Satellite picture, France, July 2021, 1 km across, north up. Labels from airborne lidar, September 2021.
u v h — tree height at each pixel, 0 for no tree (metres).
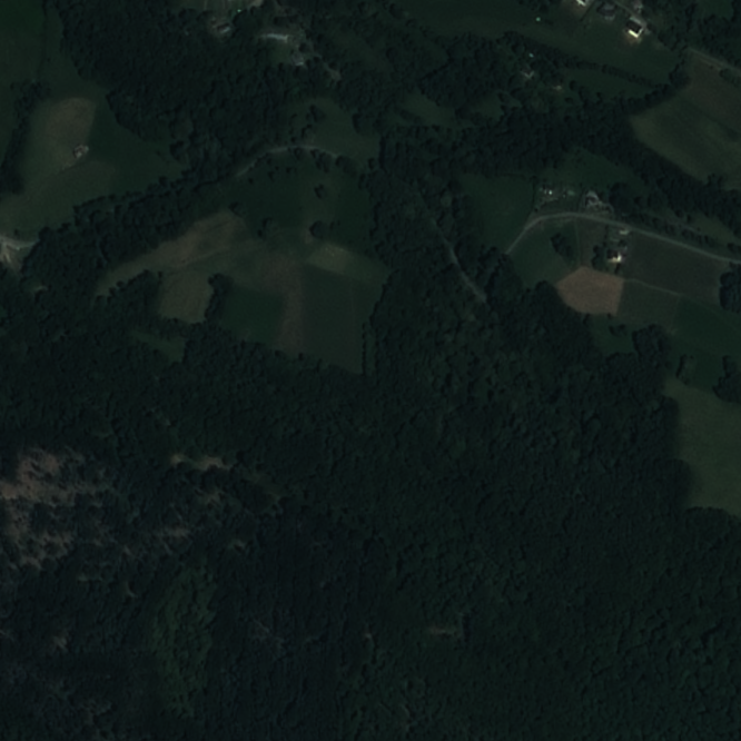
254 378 25
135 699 28
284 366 23
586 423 24
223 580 30
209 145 24
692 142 0
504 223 0
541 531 22
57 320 24
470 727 26
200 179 18
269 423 27
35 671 23
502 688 24
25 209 0
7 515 26
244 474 22
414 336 30
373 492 28
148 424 23
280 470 28
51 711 21
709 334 0
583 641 24
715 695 26
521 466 19
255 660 26
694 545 22
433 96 30
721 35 9
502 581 21
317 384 16
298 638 29
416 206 24
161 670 24
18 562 29
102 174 0
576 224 0
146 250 21
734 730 25
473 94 13
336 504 25
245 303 0
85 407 20
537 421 25
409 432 26
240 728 27
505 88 14
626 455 17
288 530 31
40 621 27
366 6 15
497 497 23
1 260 0
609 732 19
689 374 15
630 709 21
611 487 25
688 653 24
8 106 0
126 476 30
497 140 21
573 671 30
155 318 17
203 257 0
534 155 23
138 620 29
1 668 28
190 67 16
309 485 25
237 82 14
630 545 20
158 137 25
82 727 22
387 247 18
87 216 21
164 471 25
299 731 24
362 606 26
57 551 26
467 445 15
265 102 15
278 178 12
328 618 30
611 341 0
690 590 23
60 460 31
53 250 28
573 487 20
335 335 0
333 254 0
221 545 30
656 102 14
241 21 24
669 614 31
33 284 22
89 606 27
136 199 15
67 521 25
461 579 19
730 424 0
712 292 0
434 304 23
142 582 30
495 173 21
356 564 27
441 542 25
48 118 0
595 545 18
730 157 0
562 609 20
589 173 0
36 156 0
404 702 25
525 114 15
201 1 0
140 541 30
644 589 21
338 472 27
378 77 12
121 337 23
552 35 0
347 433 27
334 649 31
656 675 13
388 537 27
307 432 27
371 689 21
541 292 15
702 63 0
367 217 6
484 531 22
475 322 20
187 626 18
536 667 30
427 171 21
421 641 26
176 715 24
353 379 24
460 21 0
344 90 9
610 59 0
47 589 26
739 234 14
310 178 0
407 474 27
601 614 19
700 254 0
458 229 21
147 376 26
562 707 21
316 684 27
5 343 31
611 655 33
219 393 22
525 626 31
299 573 29
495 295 33
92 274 24
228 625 32
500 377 27
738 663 34
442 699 24
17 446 26
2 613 18
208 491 31
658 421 22
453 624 23
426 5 0
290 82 21
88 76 18
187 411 28
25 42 0
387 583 20
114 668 31
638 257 0
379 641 22
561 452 26
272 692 24
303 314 0
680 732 23
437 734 25
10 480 27
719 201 18
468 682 24
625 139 19
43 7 11
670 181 18
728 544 21
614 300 0
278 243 0
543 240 0
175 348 0
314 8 28
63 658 26
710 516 25
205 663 18
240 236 0
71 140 0
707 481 0
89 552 27
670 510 20
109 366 23
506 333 20
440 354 27
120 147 0
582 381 24
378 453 27
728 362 17
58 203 0
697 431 0
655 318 0
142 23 16
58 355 30
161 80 16
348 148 0
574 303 0
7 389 31
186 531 27
